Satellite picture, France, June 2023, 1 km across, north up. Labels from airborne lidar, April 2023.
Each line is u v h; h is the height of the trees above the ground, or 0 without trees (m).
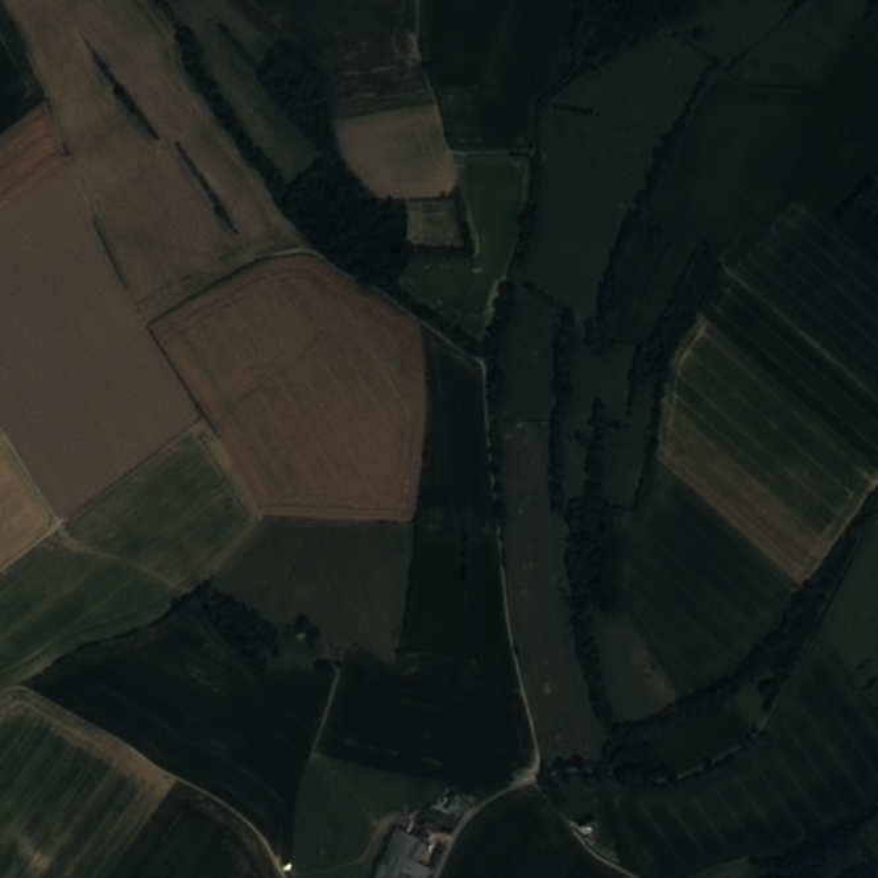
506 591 0
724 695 16
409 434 0
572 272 0
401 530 0
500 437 7
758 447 0
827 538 0
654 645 0
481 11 0
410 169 0
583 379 0
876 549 0
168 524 0
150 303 0
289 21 0
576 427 0
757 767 0
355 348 0
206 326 0
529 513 0
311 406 0
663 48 0
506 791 0
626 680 0
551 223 0
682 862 0
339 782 0
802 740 0
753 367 0
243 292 0
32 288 0
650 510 0
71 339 0
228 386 0
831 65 0
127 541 0
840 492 0
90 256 0
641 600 0
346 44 0
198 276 0
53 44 0
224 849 0
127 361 0
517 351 0
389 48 0
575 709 0
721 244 0
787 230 0
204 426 0
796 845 0
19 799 0
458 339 12
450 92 0
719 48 0
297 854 0
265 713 0
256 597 0
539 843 0
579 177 0
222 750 0
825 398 0
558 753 0
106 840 0
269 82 25
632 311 0
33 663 0
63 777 0
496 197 0
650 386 0
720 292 0
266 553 0
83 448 0
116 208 0
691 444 0
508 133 0
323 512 0
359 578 0
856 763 0
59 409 0
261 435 0
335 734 0
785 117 0
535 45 0
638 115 0
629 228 18
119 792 0
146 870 0
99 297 0
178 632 0
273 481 0
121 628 0
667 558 0
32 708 0
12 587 0
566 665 0
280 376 0
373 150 0
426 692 0
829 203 0
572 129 0
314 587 0
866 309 0
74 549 0
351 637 0
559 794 27
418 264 0
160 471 0
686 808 0
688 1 10
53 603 0
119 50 0
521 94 0
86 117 0
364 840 0
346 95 0
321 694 0
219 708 0
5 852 0
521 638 0
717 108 0
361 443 0
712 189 0
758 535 0
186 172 0
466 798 0
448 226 0
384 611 0
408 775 0
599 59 8
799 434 0
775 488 0
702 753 0
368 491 0
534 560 0
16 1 0
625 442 0
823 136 0
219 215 10
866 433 0
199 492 0
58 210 0
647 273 0
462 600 0
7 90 0
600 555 15
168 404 0
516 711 0
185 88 0
